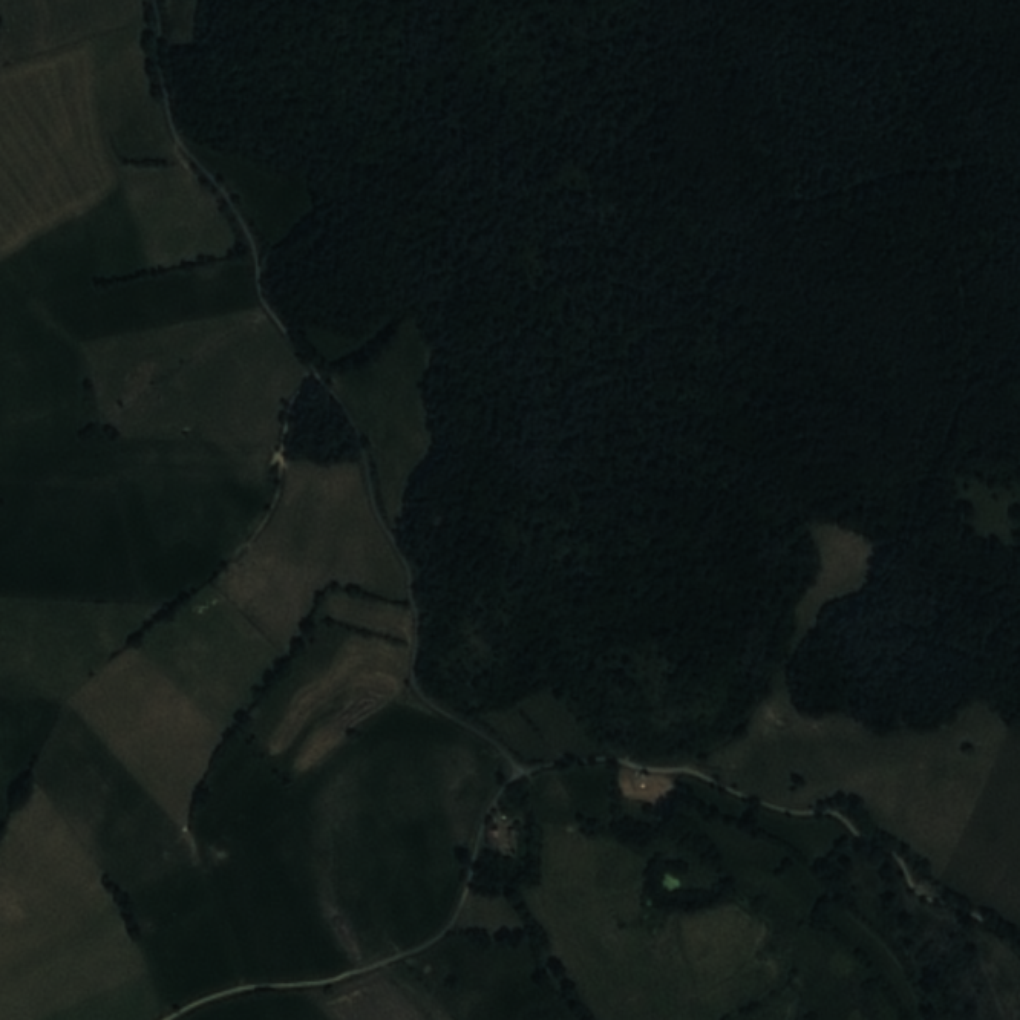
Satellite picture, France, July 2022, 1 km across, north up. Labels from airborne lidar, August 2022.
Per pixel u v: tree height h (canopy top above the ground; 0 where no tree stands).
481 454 9
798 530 16
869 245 17
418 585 7
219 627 0
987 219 15
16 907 0
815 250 19
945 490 13
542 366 13
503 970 0
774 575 7
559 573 6
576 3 13
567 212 12
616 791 9
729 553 8
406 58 12
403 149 9
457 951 0
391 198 9
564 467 16
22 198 0
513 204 8
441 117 17
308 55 11
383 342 17
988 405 18
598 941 0
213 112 11
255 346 0
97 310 0
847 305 18
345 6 7
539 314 8
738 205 15
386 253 12
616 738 11
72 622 0
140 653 0
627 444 9
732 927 0
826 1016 0
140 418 0
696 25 17
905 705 16
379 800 0
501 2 7
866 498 18
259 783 0
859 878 0
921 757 0
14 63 0
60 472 0
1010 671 14
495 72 15
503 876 7
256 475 0
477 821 0
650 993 0
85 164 0
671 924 0
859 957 7
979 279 18
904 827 0
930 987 20
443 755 0
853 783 0
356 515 0
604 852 0
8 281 0
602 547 7
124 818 0
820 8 13
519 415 16
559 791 0
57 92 0
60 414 0
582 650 7
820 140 19
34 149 0
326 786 0
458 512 8
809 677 7
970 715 0
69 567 0
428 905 0
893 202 13
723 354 12
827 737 0
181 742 0
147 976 0
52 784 0
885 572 17
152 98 10
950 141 15
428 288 20
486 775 0
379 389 0
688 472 12
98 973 0
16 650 0
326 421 16
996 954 0
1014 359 19
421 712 0
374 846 0
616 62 17
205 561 0
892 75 22
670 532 8
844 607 9
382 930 0
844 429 20
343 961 0
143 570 0
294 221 0
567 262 17
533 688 11
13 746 0
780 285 21
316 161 16
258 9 6
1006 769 0
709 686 6
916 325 19
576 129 13
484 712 7
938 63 13
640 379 10
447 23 18
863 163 17
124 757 0
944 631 21
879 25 14
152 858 0
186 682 0
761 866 0
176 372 0
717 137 20
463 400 14
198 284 0
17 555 0
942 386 18
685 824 11
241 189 0
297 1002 0
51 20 0
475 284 14
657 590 8
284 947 0
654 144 14
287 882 0
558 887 0
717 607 8
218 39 14
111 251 0
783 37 19
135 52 0
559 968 21
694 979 0
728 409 6
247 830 0
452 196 7
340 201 19
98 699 0
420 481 20
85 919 0
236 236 9
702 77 18
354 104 6
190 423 0
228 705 0
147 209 0
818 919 9
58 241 0
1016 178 7
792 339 14
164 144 0
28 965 0
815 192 14
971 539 16
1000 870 0
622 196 10
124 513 0
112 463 0
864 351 20
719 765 0
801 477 10
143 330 0
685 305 15
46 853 0
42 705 0
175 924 0
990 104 18
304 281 15
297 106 13
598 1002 0
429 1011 0
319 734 0
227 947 0
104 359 0
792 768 0
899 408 19
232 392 0
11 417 0
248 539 0
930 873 8
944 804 0
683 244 14
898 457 17
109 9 0
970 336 15
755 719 0
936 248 12
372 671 0
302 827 0
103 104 0
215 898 0
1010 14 19
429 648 7
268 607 0
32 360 0
